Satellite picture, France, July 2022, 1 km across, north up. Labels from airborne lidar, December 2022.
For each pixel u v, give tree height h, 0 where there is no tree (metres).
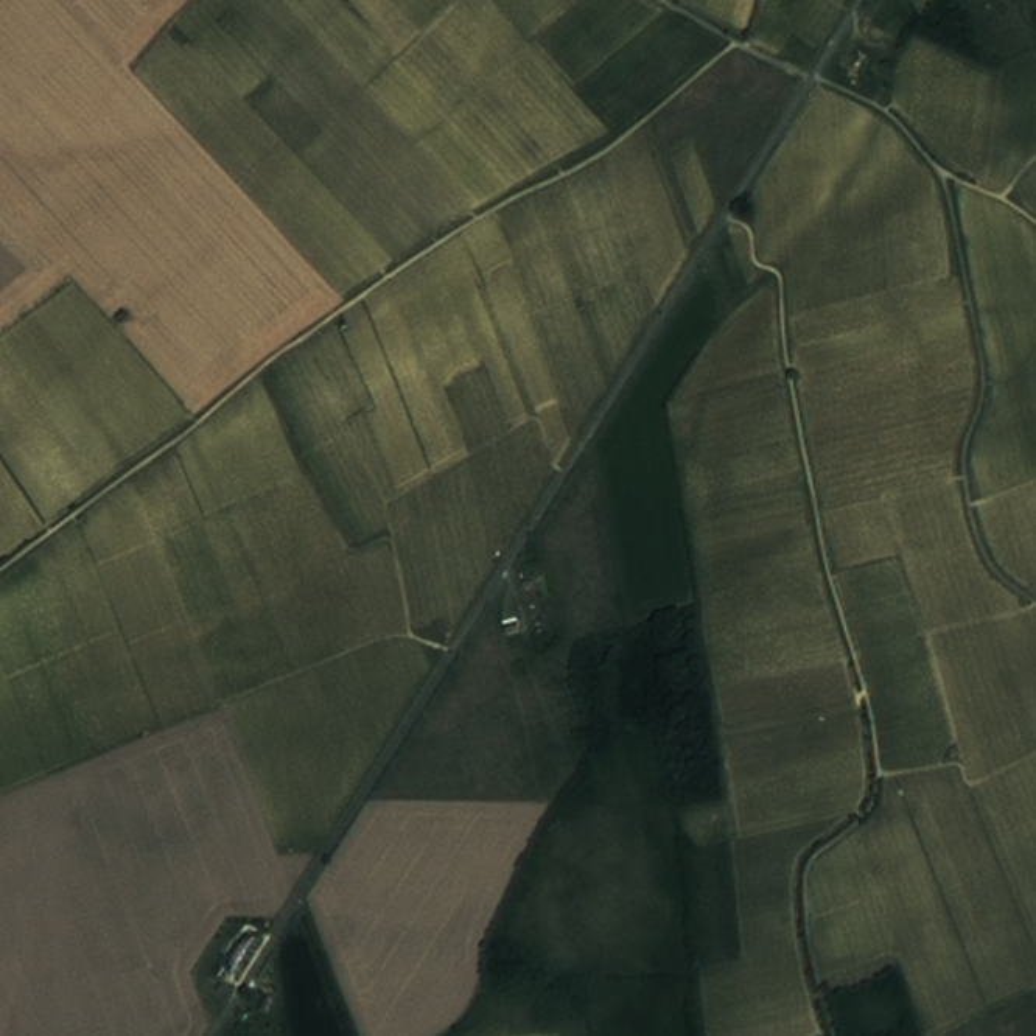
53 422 0
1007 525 0
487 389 0
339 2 0
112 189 0
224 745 0
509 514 0
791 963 0
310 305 0
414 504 0
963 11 9
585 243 0
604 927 0
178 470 0
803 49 0
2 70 0
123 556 0
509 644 0
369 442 0
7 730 0
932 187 0
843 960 0
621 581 0
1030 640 0
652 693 9
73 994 0
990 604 0
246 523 0
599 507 0
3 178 0
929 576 0
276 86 0
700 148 0
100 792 0
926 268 0
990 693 0
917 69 0
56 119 0
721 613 0
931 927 0
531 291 0
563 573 0
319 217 0
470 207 0
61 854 0
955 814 0
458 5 0
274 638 0
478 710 0
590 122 0
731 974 0
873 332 0
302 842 0
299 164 0
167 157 0
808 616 0
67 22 0
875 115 0
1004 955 0
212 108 0
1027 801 0
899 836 0
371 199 0
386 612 0
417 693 0
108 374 0
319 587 0
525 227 0
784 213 0
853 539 0
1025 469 0
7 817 0
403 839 0
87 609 0
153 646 0
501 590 0
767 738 0
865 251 0
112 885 0
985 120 0
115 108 0
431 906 0
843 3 0
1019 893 0
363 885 0
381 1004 0
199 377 0
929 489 0
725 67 0
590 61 0
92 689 0
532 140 0
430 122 0
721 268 0
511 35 0
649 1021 0
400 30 0
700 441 0
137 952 0
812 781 0
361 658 0
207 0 0
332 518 0
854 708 0
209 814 0
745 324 0
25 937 0
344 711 0
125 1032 0
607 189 0
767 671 0
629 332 0
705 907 0
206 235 0
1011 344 0
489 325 0
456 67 0
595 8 0
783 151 0
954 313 0
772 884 0
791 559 0
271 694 0
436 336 0
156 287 0
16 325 0
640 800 0
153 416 0
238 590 0
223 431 0
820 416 0
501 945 6
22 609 0
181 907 0
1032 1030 0
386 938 0
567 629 0
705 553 0
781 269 0
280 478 0
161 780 0
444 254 0
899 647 0
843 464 0
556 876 0
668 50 0
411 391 0
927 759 0
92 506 0
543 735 0
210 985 0
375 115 0
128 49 0
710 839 0
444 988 0
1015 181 0
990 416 0
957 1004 0
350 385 0
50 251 0
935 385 0
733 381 0
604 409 0
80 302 0
